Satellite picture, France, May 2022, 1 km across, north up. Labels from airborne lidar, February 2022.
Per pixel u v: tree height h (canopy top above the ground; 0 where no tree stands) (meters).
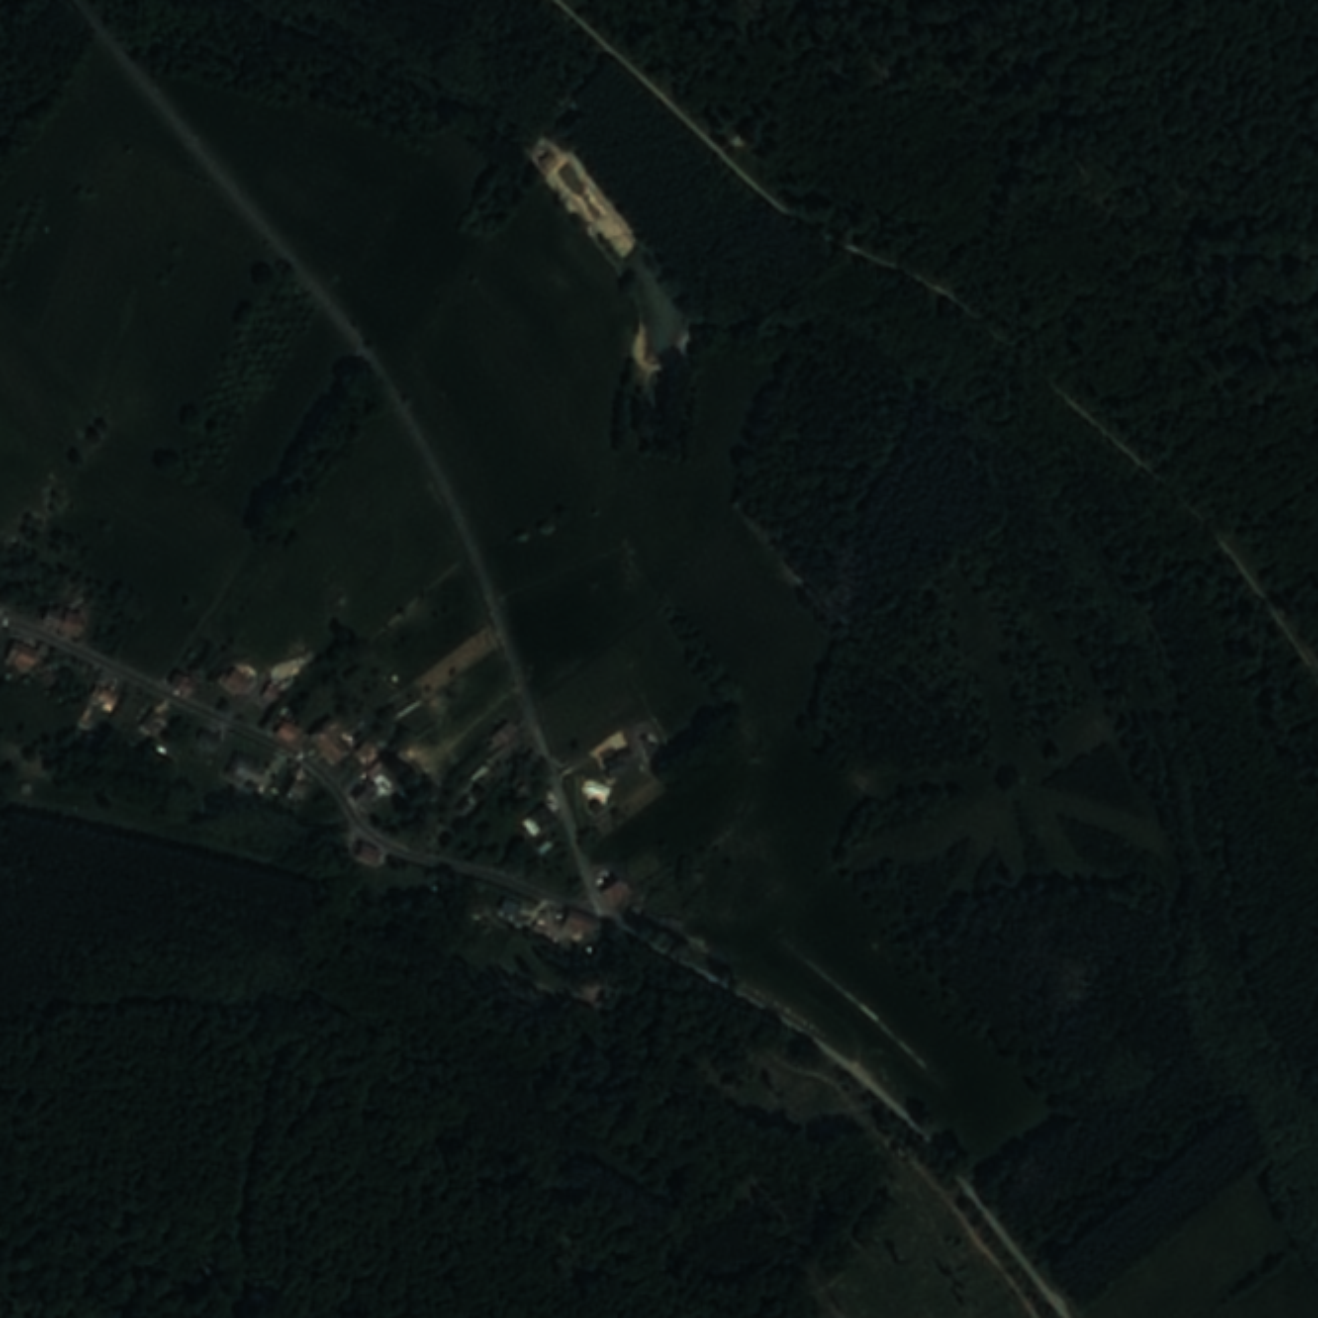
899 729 16
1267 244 37
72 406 0
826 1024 0
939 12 33
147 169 0
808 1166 26
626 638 0
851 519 17
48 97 16
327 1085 28
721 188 10
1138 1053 20
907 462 18
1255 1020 18
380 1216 25
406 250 0
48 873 17
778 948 0
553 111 14
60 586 11
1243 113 28
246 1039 25
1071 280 10
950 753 13
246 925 16
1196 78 28
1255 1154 19
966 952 25
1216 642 14
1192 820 16
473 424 0
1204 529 13
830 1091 0
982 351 14
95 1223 31
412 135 7
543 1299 24
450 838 10
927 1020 0
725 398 0
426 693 0
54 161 0
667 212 13
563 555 0
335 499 0
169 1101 22
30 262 0
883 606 18
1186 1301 0
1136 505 16
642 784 0
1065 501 15
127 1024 21
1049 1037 18
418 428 0
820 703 8
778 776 0
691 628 7
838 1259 24
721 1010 25
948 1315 0
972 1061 0
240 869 18
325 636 0
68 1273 32
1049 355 16
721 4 33
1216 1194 21
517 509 0
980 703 9
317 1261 22
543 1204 24
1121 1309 0
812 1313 24
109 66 0
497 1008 19
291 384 0
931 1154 18
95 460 0
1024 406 12
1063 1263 23
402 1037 10
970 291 19
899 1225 0
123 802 0
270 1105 23
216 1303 32
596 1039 13
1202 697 12
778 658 0
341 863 29
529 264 0
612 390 0
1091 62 30
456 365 0
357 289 0
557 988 0
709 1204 24
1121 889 17
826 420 19
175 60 12
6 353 0
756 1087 0
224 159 0
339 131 0
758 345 24
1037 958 23
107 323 0
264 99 6
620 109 14
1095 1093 22
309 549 0
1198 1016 22
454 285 0
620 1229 23
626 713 0
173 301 0
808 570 22
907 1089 0
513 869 16
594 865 0
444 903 10
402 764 15
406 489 0
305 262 0
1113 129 29
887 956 0
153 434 0
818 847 0
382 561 0
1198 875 17
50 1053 24
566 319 0
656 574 0
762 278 17
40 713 0
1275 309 35
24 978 16
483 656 0
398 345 0
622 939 17
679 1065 27
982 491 25
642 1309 24
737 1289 23
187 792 18
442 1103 25
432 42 15
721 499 0
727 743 20
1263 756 16
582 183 0
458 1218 26
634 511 0
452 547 0
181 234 0
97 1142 21
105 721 0
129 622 9
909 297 20
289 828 21
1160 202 34
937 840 0
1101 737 0
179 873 17
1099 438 13
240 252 0
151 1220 30
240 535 0
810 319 14
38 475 0
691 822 0
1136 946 20
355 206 0
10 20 14
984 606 0
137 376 0
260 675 0
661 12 10
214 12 11
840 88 32
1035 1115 0
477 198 7
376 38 17
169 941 11
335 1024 25
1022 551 13
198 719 0
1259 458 13
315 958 14
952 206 12
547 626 0
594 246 0
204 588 0
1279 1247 0
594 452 0
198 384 0
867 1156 27
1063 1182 20
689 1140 27
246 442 0
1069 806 0
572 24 6
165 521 0
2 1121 22
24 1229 25
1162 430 14
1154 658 17
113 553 0
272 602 0
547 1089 28
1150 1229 22
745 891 0
